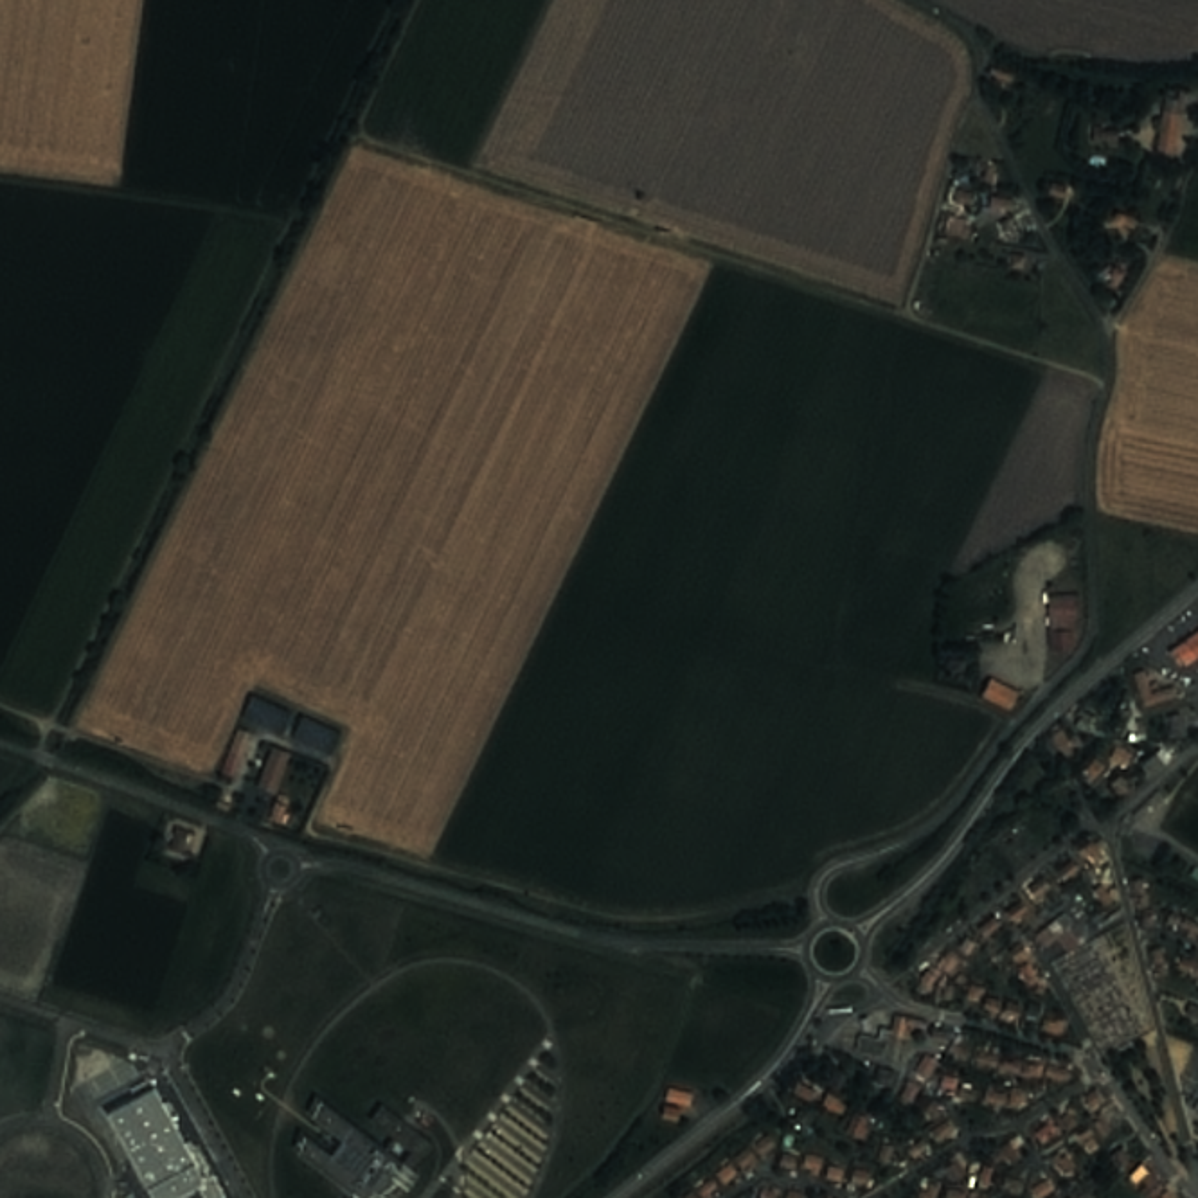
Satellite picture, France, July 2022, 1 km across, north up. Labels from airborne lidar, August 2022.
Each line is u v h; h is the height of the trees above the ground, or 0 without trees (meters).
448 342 0
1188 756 0
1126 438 0
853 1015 0
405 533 0
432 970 0
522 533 0
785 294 0
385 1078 0
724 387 0
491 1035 0
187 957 0
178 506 0
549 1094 7
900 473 0
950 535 0
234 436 0
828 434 0
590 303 0
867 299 0
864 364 0
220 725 0
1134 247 11
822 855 0
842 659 0
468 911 0
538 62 0
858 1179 0
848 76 0
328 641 0
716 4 0
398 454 0
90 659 7
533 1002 0
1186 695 0
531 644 0
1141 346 0
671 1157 0
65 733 0
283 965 0
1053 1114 8
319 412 0
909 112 0
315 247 0
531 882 0
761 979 0
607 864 0
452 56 0
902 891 0
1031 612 0
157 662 0
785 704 0
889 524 0
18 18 0
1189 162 9
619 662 0
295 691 0
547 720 0
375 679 0
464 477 0
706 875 0
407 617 0
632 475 0
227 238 0
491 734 0
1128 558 0
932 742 0
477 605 0
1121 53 0
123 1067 0
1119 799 9
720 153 0
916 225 0
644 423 0
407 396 0
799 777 0
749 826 0
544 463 0
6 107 0
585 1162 0
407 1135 0
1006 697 0
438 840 0
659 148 0
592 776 0
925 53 0
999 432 0
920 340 0
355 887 0
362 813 0
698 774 0
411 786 0
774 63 0
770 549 0
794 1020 0
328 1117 0
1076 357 0
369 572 0
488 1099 0
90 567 0
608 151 0
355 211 0
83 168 0
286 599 0
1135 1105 7
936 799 0
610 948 0
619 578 0
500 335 0
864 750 0
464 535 0
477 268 0
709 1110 0
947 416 0
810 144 0
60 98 0
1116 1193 0
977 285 0
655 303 0
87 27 0
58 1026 0
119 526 0
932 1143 6
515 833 0
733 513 0
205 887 0
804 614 0
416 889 0
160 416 0
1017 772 9
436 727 0
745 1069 0
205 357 0
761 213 0
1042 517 0
